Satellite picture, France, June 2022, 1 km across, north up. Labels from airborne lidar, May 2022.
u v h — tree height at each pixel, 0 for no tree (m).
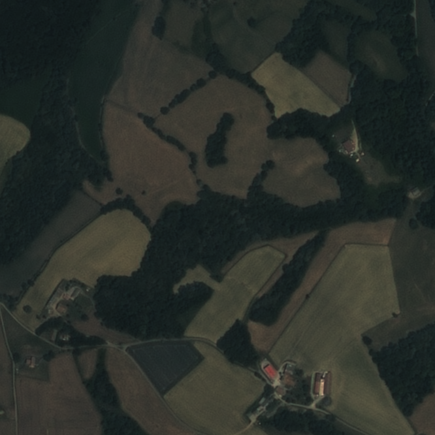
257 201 13
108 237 0
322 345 0
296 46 13
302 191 0
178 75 0
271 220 14
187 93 14
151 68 0
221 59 22
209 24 0
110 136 0
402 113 17
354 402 0
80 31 28
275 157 0
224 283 0
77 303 13
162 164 0
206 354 0
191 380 0
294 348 0
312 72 0
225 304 0
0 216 19
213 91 0
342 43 0
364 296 0
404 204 23
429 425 0
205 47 0
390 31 18
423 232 0
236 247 25
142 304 15
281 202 18
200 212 25
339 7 13
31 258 0
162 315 17
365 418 0
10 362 0
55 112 14
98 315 13
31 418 0
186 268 23
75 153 15
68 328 15
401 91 27
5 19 27
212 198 9
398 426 0
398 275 0
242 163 0
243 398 0
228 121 18
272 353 0
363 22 10
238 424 0
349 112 23
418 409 0
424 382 22
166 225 23
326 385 0
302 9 0
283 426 21
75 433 0
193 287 22
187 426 0
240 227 23
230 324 0
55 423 0
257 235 25
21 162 23
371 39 0
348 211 23
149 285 20
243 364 9
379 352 9
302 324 0
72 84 0
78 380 0
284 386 0
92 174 13
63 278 0
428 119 19
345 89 0
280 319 0
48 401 0
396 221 0
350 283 0
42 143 19
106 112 0
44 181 16
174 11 0
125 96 0
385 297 0
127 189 0
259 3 0
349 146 0
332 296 0
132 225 0
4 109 0
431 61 0
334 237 0
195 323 0
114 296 24
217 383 0
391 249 0
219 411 0
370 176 0
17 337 0
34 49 30
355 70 19
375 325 0
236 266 0
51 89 8
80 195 0
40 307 0
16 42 31
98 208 0
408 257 0
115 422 20
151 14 0
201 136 0
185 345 0
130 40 0
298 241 0
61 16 36
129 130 0
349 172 20
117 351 0
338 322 0
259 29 0
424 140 22
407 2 10
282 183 0
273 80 0
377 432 0
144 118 11
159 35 15
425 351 16
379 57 0
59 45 30
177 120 0
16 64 36
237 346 21
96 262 0
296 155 0
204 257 20
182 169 0
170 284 26
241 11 0
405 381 29
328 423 23
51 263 0
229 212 11
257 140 0
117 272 0
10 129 0
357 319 0
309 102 0
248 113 0
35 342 0
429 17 0
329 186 0
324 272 0
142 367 0
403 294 0
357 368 0
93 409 0
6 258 22
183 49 0
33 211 18
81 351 6
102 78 0
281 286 20
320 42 16
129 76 0
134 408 0
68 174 15
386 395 0
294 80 0
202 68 0
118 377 0
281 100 0
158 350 0
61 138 25
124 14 0
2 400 0
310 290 0
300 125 27
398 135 16
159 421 0
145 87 0
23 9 29
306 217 20
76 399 0
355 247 0
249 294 0
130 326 16
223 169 0
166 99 0
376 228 0
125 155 0
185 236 25
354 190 25
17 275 0
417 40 18
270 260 0
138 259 0
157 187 0
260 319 22
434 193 0
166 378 0
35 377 0
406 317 0
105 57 0
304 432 6
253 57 0
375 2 25
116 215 0
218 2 0
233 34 0
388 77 0
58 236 0
